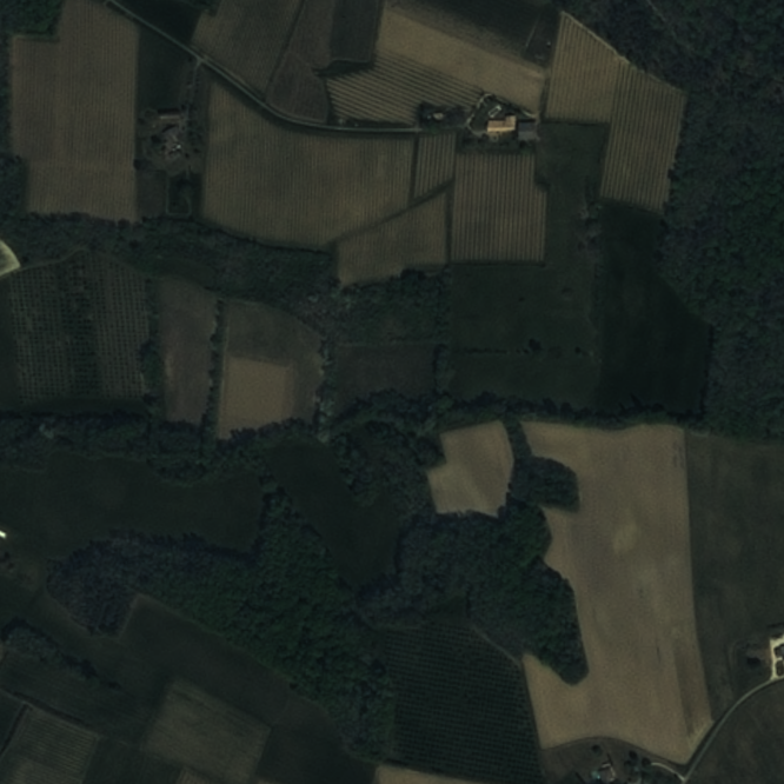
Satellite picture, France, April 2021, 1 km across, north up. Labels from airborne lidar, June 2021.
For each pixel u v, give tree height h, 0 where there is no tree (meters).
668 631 0
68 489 0
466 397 0
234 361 0
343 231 0
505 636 19
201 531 0
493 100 8
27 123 0
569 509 9
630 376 0
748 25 14
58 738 0
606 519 0
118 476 0
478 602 18
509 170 0
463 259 0
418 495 21
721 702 0
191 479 20
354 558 0
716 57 15
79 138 0
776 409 22
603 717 0
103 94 0
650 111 0
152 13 0
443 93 0
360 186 0
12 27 21
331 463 0
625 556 0
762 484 0
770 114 16
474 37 0
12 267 0
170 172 0
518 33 0
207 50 0
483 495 0
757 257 30
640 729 0
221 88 0
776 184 28
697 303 22
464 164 0
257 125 0
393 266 0
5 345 0
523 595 25
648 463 0
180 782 0
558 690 0
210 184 0
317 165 0
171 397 0
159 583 21
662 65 7
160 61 0
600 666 0
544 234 0
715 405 20
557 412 15
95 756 0
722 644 0
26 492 0
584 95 0
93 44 0
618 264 0
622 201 0
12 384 0
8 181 17
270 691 0
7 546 0
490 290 0
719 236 25
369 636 15
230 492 0
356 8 0
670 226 11
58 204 0
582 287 0
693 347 0
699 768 0
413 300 17
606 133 0
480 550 19
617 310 0
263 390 0
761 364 20
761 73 17
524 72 0
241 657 0
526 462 17
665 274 19
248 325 0
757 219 30
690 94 10
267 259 8
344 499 0
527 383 0
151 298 11
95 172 0
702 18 21
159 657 0
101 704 0
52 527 0
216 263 10
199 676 0
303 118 0
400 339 6
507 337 0
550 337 0
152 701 0
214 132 0
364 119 0
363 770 0
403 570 18
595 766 0
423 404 11
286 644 23
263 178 0
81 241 21
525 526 23
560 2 22
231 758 0
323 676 20
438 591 15
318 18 0
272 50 0
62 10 14
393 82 0
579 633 11
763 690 0
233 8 0
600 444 0
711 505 0
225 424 0
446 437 0
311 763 0
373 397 9
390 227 0
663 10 19
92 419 14
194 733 0
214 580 23
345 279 0
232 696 0
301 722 0
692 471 0
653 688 0
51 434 27
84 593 12
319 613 27
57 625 0
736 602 0
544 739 0
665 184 0
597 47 0
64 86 0
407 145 0
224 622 19
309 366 0
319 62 0
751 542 0
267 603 25
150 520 0
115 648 0
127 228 17
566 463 0
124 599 14
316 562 28
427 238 0
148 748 0
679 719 0
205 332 0
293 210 0
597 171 0
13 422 19
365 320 6
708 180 17
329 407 24
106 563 14
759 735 0
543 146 0
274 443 16
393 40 0
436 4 0
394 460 24
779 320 22
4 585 0
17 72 0
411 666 5
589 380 0
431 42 0
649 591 0
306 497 0
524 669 0
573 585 0
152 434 20
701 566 0
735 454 0
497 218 0
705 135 14
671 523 0
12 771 0
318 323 15
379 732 23
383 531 0
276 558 24
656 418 12
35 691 0
